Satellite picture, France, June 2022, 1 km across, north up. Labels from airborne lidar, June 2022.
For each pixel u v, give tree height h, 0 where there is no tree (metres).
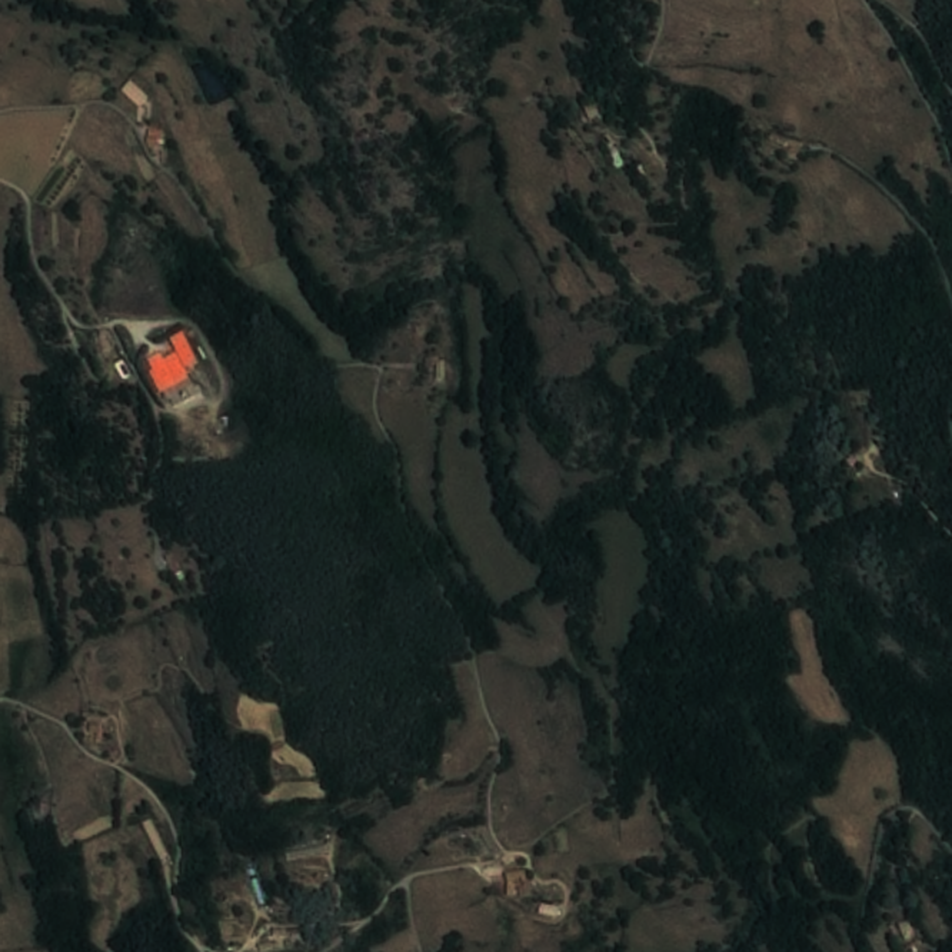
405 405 0
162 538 8
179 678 0
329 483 13
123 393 8
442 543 9
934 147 0
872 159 0
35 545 6
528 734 0
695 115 8
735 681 8
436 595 12
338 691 11
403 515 12
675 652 16
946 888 7
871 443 0
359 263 7
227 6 0
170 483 12
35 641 0
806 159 8
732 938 8
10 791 0
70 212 12
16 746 0
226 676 0
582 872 8
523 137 0
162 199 0
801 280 7
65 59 10
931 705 11
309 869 0
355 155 16
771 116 0
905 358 8
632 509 15
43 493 8
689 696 12
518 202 0
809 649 0
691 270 8
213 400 0
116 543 0
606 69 11
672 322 15
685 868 10
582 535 18
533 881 6
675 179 10
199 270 16
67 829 0
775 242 0
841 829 0
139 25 16
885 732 10
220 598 11
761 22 0
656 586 13
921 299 8
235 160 0
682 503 9
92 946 14
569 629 12
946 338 7
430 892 0
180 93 0
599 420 9
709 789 15
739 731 10
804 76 0
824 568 9
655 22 8
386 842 0
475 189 0
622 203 0
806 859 18
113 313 0
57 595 7
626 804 10
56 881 7
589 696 9
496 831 0
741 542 0
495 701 0
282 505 15
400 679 11
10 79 0
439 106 0
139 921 10
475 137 8
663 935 0
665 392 15
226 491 12
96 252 0
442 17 9
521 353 13
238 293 16
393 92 7
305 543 11
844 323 8
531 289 0
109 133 0
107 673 0
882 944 0
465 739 0
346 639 15
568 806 0
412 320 14
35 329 6
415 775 8
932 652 6
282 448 10
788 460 11
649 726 17
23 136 0
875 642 6
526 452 0
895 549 6
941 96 13
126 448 9
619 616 0
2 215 0
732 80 0
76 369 8
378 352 0
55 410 10
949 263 8
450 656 12
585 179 0
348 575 12
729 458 0
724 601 11
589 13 11
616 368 0
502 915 0
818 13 0
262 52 8
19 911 0
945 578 8
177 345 0
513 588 0
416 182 5
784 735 10
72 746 0
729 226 0
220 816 10
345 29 0
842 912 14
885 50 0
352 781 10
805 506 16
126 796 0
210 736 8
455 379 0
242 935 0
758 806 11
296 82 10
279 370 11
